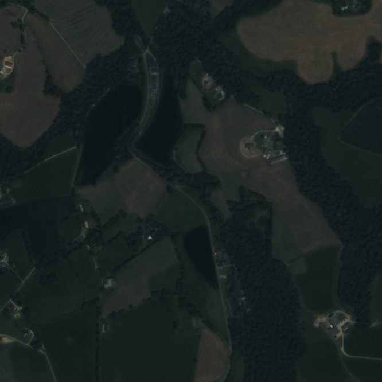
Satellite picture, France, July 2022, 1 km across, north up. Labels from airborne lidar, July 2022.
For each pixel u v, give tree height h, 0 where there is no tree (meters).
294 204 0
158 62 14
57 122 16
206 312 0
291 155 11
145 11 0
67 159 0
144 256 0
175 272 0
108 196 0
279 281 24
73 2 0
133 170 0
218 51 33
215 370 0
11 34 0
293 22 0
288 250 0
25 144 0
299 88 30
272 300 28
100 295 0
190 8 20
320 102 21
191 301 0
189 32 18
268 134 0
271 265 18
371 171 0
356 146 0
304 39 0
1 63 0
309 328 0
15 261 0
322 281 0
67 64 0
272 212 9
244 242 19
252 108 0
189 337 0
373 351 0
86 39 0
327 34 0
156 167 15
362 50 0
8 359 0
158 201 0
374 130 0
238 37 0
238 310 11
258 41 0
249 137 0
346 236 19
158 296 21
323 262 0
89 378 0
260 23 0
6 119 0
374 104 0
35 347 13
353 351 0
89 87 10
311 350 0
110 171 0
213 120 0
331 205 21
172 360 0
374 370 0
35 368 0
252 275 34
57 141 0
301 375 0
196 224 0
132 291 0
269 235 19
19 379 0
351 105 14
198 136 0
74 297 0
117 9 16
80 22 0
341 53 0
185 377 0
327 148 0
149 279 0
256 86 0
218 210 21
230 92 13
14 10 0
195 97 0
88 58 0
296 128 33
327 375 0
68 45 0
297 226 0
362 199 0
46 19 17
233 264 12
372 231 20
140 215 0
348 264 23
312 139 24
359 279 31
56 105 0
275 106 0
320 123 0
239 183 0
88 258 0
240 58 0
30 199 0
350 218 28
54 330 0
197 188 17
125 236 7
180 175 16
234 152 0
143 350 0
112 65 11
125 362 0
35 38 0
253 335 29
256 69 0
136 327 0
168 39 18
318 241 0
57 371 0
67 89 0
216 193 0
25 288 0
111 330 0
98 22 0
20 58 0
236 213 23
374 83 11
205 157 0
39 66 0
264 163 0
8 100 0
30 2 13
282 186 0
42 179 0
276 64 0
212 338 0
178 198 0
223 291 0
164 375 0
